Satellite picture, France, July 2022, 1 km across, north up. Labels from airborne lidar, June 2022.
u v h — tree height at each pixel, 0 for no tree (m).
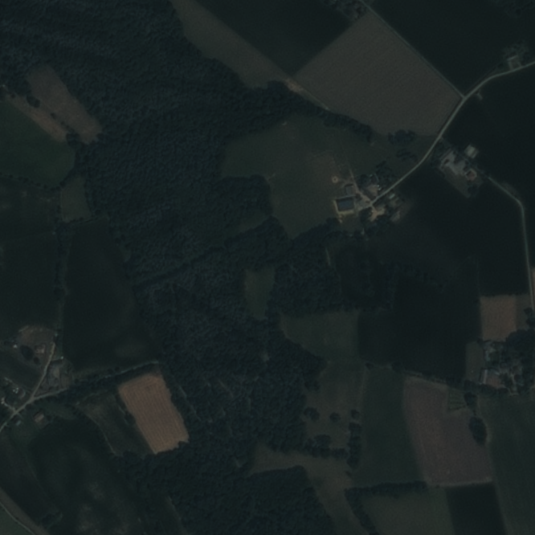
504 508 0
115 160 17
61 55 15
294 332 0
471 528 0
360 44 0
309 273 19
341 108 0
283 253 25
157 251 22
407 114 0
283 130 0
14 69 20
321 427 0
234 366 28
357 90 0
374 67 0
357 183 7
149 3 16
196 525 22
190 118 25
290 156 0
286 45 0
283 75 0
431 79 0
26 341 0
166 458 14
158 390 0
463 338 0
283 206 0
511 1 19
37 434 0
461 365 0
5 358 0
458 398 0
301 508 22
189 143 22
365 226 10
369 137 20
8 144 0
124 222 14
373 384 0
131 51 23
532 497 0
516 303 0
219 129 22
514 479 0
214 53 0
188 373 21
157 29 21
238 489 26
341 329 0
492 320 0
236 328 22
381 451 0
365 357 0
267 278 0
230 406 23
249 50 0
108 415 0
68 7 19
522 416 0
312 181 0
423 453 0
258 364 26
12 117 0
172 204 14
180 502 27
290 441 26
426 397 0
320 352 0
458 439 0
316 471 0
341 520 0
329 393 0
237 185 21
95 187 13
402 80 0
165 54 22
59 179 0
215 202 24
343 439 0
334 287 25
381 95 0
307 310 25
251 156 0
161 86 19
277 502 19
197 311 24
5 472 0
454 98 0
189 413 23
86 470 0
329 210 0
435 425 0
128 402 0
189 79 16
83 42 22
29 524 0
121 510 0
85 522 0
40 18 17
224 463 26
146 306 20
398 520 0
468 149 0
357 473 0
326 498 0
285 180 0
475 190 20
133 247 20
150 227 21
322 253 23
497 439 0
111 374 13
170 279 15
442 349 0
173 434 0
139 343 0
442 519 0
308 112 22
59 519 0
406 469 0
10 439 0
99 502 0
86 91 19
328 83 0
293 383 24
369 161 0
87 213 0
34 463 0
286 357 25
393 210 10
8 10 20
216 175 22
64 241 23
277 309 22
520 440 0
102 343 0
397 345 0
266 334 23
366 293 19
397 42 0
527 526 0
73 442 0
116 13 21
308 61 0
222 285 20
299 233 0
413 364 0
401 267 26
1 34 22
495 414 0
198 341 21
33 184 6
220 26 0
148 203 20
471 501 0
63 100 0
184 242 23
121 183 16
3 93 8
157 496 0
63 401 21
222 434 25
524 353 10
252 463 12
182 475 17
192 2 0
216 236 17
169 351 15
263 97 16
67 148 0
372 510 0
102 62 20
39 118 0
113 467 0
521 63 6
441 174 11
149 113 16
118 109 21
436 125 0
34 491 0
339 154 0
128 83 24
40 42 15
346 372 0
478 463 0
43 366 0
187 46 9
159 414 0
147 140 23
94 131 0
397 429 0
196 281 22
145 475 28
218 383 19
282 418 24
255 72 0
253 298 0
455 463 0
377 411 0
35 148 0
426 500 0
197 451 17
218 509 23
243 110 16
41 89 0
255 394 22
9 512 0
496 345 9
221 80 23
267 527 30
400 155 9
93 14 19
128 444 0
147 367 11
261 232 20
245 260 23
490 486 0
